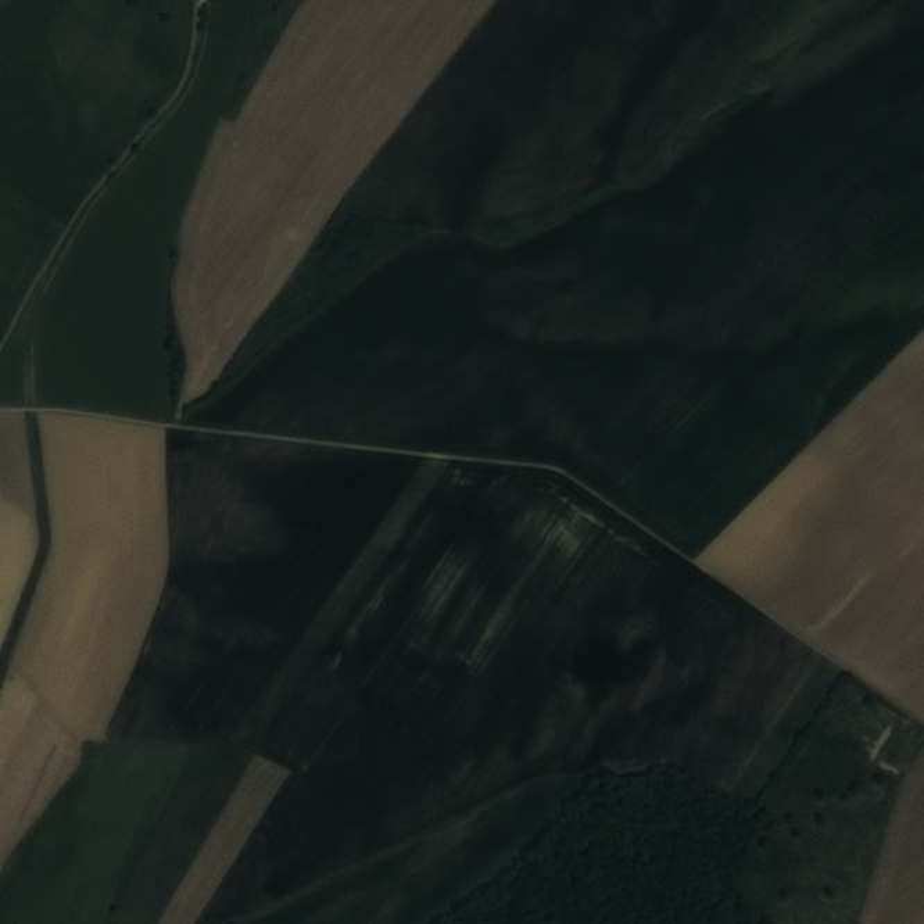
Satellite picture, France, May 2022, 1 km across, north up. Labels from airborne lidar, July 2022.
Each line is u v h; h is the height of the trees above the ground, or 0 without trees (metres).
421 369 0
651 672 0
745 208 0
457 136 0
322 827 0
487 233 0
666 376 0
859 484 0
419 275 0
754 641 0
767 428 0
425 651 0
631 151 0
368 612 0
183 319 0
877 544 0
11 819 0
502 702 0
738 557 0
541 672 0
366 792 0
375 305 0
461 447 0
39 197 0
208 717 0
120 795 0
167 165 0
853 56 0
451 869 0
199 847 0
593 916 20
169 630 0
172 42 0
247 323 0
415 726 0
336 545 0
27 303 0
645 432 0
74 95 0
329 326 0
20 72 0
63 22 0
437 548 0
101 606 0
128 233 0
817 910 0
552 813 0
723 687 0
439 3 0
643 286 0
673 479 0
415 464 0
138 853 0
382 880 0
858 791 8
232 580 0
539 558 0
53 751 0
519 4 0
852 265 0
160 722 0
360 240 5
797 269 0
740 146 0
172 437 0
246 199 0
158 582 0
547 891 22
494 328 0
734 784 0
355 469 0
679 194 0
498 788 0
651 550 0
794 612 0
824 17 0
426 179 0
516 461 0
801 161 0
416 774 0
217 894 0
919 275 0
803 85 0
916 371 0
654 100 0
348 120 0
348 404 0
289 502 0
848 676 10
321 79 0
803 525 0
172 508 0
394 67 0
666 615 0
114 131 0
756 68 0
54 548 0
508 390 0
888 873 0
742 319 0
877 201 0
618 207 0
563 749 0
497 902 17
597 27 0
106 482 0
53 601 0
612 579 0
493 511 0
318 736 0
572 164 0
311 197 0
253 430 0
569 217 0
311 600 0
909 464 0
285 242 0
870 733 0
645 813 18
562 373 0
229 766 0
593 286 0
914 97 0
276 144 0
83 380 0
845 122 0
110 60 0
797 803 0
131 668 0
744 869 8
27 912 0
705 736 0
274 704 0
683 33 0
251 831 0
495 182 0
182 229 0
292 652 0
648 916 18
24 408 0
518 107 0
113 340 0
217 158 0
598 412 0
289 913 0
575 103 0
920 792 0
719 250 0
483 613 0
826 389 0
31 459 0
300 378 0
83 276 0
